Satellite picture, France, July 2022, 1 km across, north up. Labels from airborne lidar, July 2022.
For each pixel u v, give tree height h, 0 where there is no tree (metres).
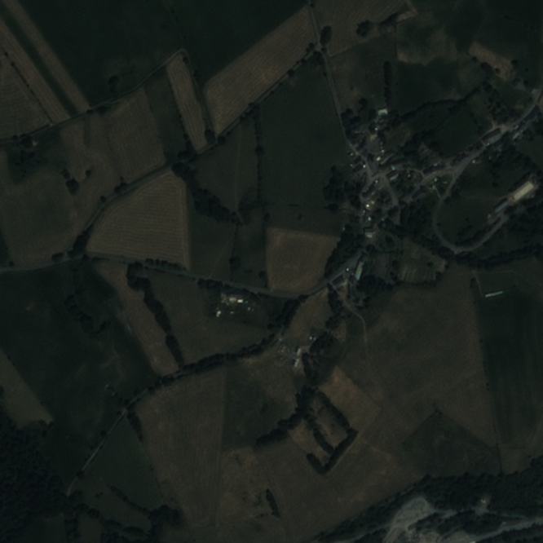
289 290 0
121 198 0
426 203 0
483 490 16
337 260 9
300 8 0
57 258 11
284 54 0
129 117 0
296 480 0
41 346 0
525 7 0
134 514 0
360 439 0
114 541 17
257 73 0
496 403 0
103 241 0
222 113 0
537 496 7
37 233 0
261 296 11
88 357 0
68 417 0
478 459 0
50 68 0
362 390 0
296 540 0
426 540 0
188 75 0
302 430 0
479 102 0
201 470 0
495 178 14
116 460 0
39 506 26
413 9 0
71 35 0
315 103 0
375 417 0
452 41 0
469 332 0
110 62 0
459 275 0
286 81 0
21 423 0
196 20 0
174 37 0
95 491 0
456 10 0
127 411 7
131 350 0
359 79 0
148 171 0
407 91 0
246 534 0
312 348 9
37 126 0
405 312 0
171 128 0
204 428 0
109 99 0
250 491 0
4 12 0
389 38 0
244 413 0
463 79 0
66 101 0
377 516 7
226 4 0
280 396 0
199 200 17
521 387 0
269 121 0
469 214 0
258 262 0
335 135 0
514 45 0
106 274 0
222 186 0
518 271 0
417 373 0
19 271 0
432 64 0
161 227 0
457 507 8
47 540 0
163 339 0
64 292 0
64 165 0
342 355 0
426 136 21
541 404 0
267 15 0
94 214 0
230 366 0
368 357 0
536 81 0
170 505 0
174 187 0
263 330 0
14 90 0
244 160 0
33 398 0
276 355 0
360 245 23
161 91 0
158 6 0
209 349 0
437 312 0
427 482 19
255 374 0
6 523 21
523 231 16
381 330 0
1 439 12
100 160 0
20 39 0
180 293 0
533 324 0
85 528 0
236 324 0
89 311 0
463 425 0
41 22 0
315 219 0
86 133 0
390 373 0
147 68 0
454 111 18
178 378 7
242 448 0
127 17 0
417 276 0
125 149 0
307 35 0
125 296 0
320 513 0
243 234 0
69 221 0
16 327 0
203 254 0
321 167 0
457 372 0
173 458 0
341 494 0
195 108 0
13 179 0
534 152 0
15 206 0
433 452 0
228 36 0
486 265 18
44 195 0
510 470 0
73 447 0
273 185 0
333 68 0
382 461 0
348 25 0
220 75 0
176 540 0
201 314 0
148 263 9
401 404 0
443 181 0
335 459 11
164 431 0
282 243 0
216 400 0
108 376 0
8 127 0
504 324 0
